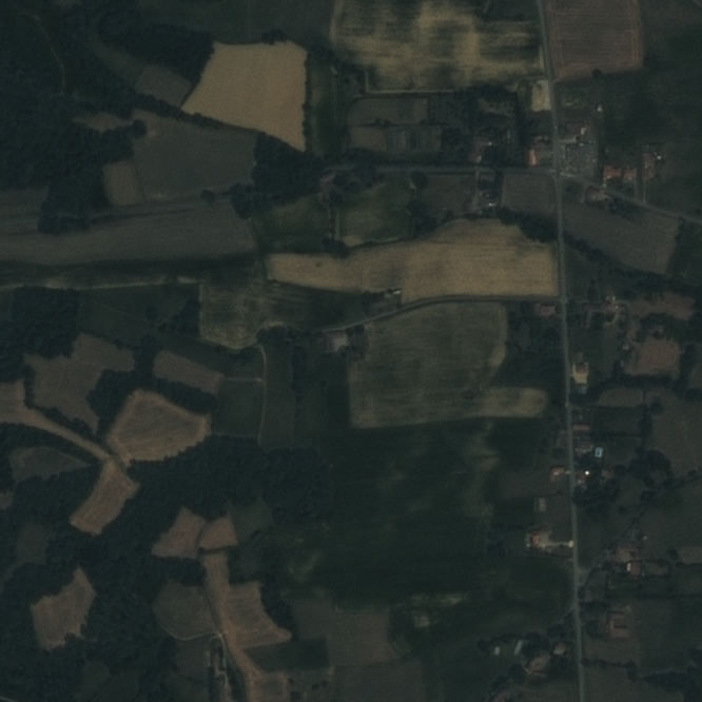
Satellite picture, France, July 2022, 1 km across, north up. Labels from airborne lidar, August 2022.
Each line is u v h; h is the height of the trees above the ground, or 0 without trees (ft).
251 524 0
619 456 0
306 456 74
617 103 0
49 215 59
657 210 0
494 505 0
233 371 0
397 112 0
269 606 53
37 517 71
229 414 0
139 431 0
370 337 0
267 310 0
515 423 0
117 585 87
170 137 0
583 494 40
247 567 0
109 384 39
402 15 0
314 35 0
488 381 0
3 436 44
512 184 0
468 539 0
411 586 0
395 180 0
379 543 0
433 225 36
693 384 0
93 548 65
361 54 0
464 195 0
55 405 0
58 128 75
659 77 0
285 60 0
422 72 0
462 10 0
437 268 0
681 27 0
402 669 0
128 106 42
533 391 0
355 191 44
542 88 0
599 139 0
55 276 0
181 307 0
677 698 0
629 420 0
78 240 0
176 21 0
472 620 0
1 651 71
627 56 0
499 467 0
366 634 0
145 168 0
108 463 0
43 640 0
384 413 0
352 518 0
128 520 81
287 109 0
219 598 0
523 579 0
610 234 0
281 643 0
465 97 29
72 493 65
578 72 0
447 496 0
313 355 0
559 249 0
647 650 0
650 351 0
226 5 0
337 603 0
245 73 0
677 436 0
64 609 0
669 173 0
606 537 0
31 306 81
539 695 0
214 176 0
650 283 66
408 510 0
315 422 0
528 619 0
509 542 0
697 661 68
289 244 0
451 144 25
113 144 73
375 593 0
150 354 63
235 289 0
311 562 0
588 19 0
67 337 73
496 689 46
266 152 51
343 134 17
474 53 0
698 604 0
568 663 34
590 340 0
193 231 0
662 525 0
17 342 70
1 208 0
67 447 27
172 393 67
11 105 65
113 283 0
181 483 68
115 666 53
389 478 0
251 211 71
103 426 44
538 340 37
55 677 68
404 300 0
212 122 37
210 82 0
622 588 0
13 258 0
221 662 20
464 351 0
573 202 0
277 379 0
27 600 58
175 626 0
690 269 0
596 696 0
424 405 0
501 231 0
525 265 0
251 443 64
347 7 0
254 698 0
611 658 0
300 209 0
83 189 62
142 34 89
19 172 87
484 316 0
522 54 0
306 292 0
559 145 0
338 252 70
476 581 0
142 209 0
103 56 0
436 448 0
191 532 0
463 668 0
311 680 0
